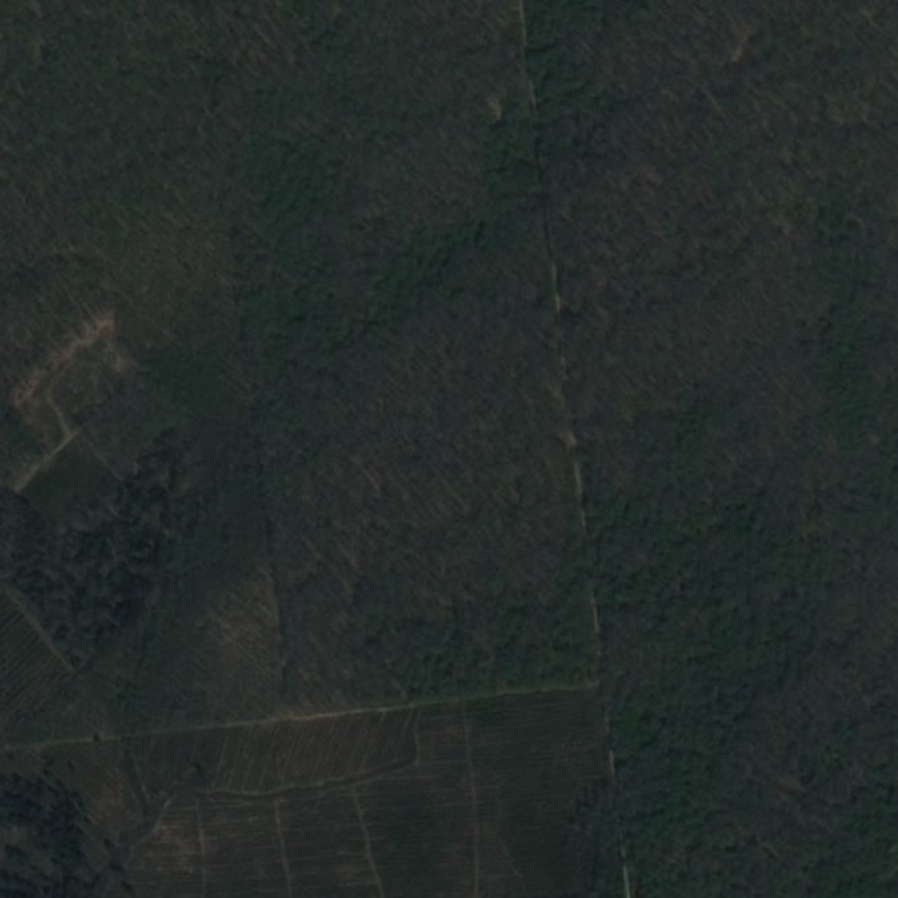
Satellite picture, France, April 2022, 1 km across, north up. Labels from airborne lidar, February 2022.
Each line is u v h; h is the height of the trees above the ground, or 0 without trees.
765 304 30
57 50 30
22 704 0
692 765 25
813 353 29
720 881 26
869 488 21
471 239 22
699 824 25
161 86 30
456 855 0
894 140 28
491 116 29
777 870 24
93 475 0
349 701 28
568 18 24
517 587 29
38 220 23
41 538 26
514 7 26
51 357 29
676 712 22
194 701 17
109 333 0
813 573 20
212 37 29
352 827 0
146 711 17
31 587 25
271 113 26
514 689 23
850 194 28
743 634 24
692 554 24
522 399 26
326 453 28
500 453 30
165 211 28
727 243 31
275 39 29
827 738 26
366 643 24
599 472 25
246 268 25
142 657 23
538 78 25
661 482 27
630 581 21
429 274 24
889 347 25
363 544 30
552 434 27
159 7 29
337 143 30
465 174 29
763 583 21
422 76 32
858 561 27
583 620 26
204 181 28
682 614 26
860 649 28
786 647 26
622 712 25
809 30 28
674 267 11
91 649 23
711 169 29
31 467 30
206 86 26
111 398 0
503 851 0
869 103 31
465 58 26
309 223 22
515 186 27
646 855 23
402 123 25
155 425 29
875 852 22
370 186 29
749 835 27
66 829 17
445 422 22
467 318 28
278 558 23
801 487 29
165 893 0
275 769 0
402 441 24
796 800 27
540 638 28
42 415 0
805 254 33
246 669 0
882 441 26
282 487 25
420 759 0
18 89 29
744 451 28
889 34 31
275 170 23
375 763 0
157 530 28
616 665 22
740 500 25
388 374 26
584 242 28
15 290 25
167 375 18
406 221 27
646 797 26
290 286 26
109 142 30
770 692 25
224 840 0
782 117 31
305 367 27
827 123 28
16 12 31
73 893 21
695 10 28
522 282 28
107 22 28
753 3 31
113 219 28
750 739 28
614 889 21
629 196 30
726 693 26
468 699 24
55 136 29
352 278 29
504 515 26
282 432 25
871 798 23
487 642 26
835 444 29
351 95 24
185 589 17
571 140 23
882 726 25
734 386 28
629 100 25
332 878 0
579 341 27
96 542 13
